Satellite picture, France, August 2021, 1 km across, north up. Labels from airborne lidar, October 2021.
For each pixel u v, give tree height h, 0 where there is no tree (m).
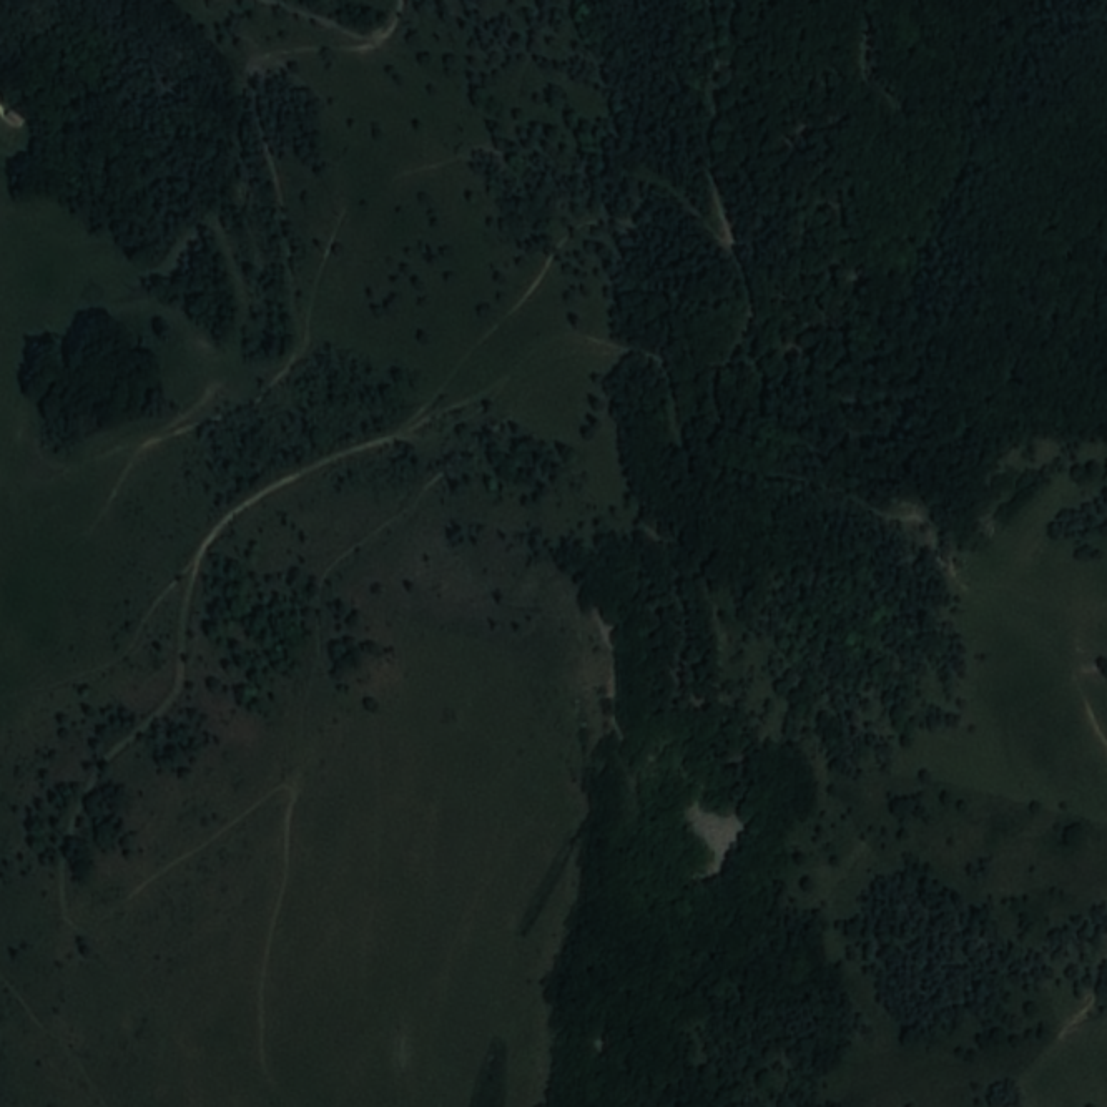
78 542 0
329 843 0
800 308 23
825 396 28
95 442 0
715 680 20
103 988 0
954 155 28
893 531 10
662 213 16
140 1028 0
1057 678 0
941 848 0
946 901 12
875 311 28
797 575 11
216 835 0
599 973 22
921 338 25
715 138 17
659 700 18
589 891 9
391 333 0
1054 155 20
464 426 6
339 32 0
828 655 11
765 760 20
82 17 17
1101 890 0
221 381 0
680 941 18
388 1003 0
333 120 0
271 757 0
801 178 21
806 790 24
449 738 0
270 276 7
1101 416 19
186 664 9
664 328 12
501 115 8
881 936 14
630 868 11
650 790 16
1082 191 29
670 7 19
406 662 0
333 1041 0
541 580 0
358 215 0
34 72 17
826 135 24
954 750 0
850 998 15
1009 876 0
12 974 0
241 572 12
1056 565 0
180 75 11
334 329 0
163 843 0
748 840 20
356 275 0
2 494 0
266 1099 0
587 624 0
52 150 15
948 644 16
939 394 24
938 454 13
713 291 19
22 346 0
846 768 15
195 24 16
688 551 15
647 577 13
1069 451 7
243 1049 0
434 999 0
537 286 0
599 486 0
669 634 20
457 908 0
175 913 0
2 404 0
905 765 0
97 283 0
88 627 0
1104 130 20
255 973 0
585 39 11
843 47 23
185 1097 0
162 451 0
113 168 25
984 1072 0
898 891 9
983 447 17
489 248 0
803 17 22
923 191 27
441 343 0
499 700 0
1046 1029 9
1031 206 24
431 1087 0
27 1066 0
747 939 14
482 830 0
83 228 0
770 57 20
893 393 28
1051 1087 0
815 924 16
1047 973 11
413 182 0
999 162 19
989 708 0
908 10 26
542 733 0
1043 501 0
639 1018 20
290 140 11
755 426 22
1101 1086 0
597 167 12
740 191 19
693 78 16
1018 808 0
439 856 0
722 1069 11
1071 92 23
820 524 18
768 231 15
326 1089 0
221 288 12
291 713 0
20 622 0
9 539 0
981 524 6
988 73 29
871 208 23
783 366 29
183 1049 0
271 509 0
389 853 0
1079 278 33
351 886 0
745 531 22
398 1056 0
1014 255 23
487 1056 0
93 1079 0
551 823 0
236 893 0
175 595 0
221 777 0
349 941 0
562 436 0
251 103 13
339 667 10
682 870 23
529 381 0
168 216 9
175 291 14
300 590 9
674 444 7
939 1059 0
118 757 0
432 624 0
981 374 25
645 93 15
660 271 20
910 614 18
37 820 9
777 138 27
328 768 0
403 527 0
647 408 14
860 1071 0
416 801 0
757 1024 8
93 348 21
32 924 0
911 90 20
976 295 19
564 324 0
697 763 18
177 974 0
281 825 0
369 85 0
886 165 20
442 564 0
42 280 0
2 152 0
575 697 0
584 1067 20
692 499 22
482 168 9
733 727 16
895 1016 11
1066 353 26
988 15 25
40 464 0
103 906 0
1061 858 0
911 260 28
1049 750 0
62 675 0
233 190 12
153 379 17
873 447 26
